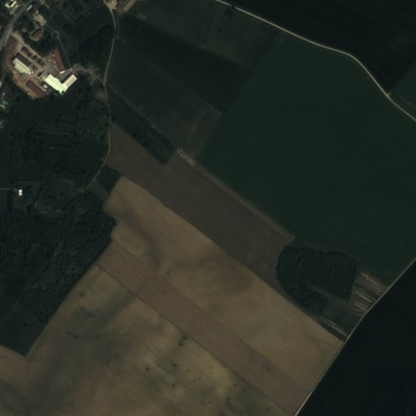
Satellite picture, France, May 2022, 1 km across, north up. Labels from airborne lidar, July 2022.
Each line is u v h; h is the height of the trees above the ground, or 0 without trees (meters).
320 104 0
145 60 0
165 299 0
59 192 0
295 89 0
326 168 0
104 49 10
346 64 0
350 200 0
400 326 0
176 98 0
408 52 0
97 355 0
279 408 0
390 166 0
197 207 0
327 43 0
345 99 0
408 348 0
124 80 0
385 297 0
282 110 0
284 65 0
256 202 0
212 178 0
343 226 0
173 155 0
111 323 0
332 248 0
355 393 0
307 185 0
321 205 0
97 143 0
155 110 0
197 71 0
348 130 0
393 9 0
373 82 0
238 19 0
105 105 8
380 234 0
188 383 0
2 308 0
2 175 0
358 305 0
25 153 20
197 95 0
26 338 0
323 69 0
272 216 0
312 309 11
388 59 0
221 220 0
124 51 0
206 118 0
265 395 0
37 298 8
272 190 0
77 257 18
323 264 19
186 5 0
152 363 0
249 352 0
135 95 0
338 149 0
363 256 0
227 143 0
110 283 0
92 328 0
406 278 0
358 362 0
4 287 0
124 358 0
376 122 0
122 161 0
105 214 7
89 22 0
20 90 10
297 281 14
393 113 0
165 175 0
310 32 0
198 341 0
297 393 0
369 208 0
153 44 0
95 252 0
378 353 0
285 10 0
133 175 0
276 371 0
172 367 0
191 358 0
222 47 0
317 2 0
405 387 0
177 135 0
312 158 0
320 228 0
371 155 0
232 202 0
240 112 0
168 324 0
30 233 18
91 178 9
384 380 0
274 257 0
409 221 0
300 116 0
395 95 0
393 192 0
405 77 0
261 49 0
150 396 0
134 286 0
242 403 0
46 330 0
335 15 0
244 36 0
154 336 0
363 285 0
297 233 0
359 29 0
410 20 0
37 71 0
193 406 0
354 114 0
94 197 13
